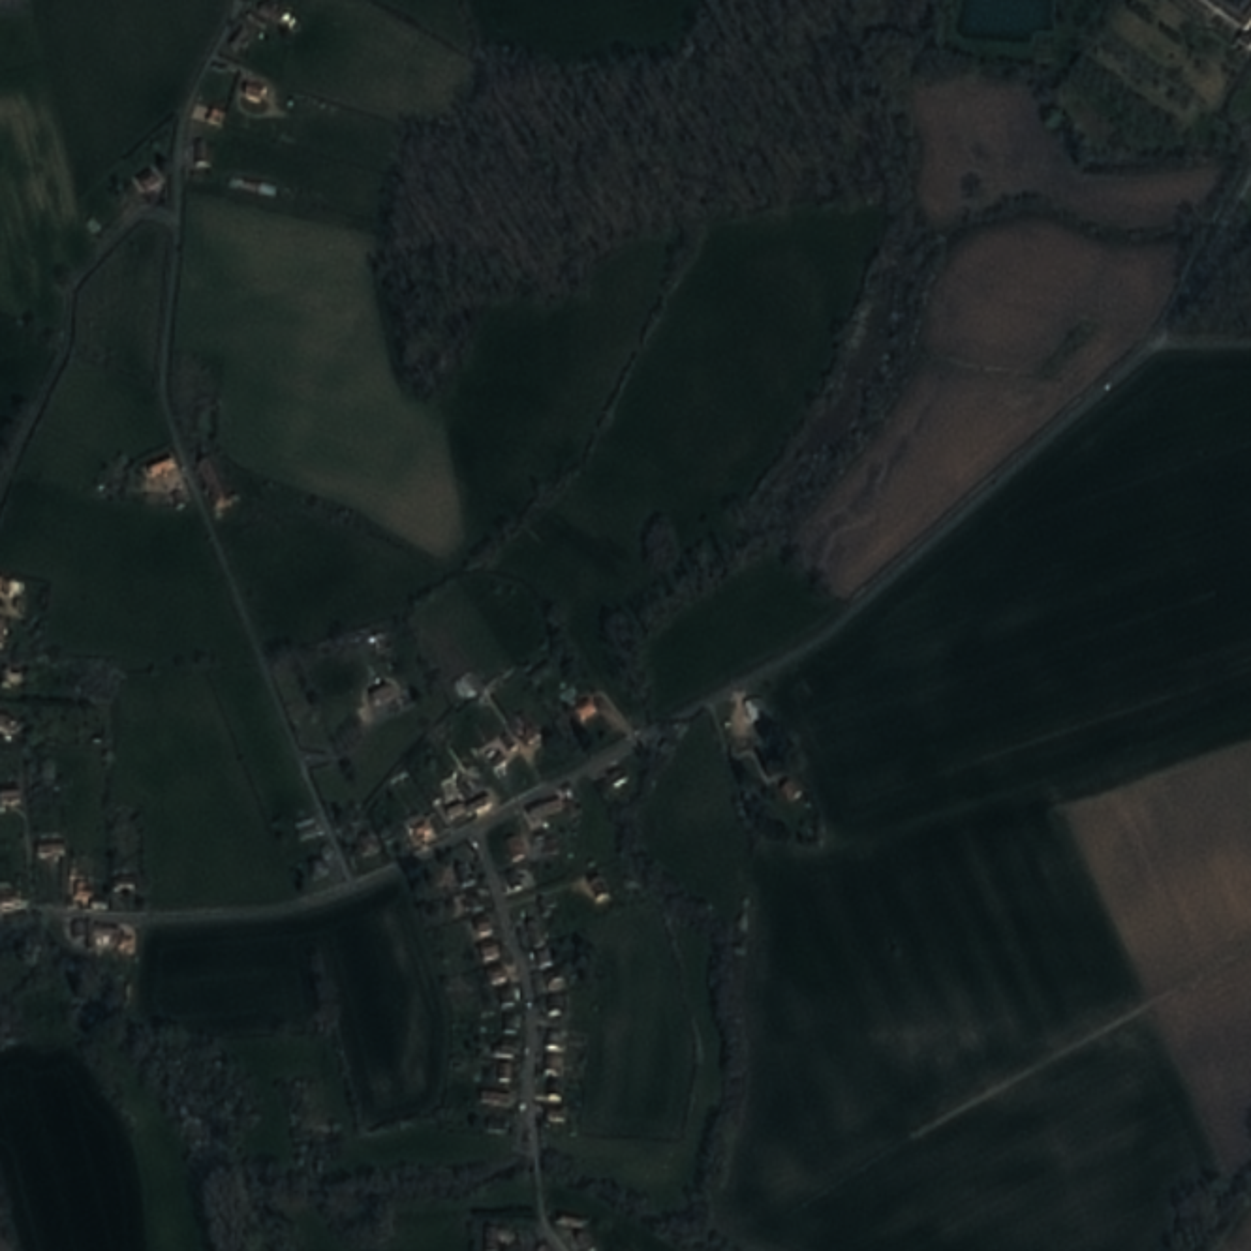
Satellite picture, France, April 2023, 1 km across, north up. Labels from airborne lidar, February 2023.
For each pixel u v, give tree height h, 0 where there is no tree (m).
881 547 0
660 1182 0
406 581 0
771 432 0
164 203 8
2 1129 0
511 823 0
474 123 26
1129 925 0
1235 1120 0
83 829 0
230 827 0
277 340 0
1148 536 0
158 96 0
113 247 0
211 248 0
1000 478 0
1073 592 0
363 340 0
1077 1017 0
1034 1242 0
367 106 0
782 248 0
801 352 0
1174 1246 17
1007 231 0
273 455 0
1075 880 0
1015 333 0
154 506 0
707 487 0
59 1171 0
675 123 32
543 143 31
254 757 0
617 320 0
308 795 0
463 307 21
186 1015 0
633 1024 0
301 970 0
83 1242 0
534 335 0
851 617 0
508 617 0
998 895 0
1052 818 0
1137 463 0
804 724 0
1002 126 0
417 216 28
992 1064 0
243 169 0
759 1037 0
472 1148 0
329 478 0
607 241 27
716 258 0
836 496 0
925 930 0
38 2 0
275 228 0
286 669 18
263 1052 0
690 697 0
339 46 0
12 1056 0
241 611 0
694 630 0
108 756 8
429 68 0
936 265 11
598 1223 7
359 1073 0
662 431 0
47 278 0
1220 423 0
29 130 0
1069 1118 0
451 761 0
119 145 0
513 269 29
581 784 0
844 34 21
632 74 28
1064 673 0
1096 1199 0
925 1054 0
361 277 0
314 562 0
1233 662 0
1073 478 0
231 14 0
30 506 0
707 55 28
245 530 0
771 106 32
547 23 0
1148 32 0
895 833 0
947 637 0
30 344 0
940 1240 0
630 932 0
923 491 0
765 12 28
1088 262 0
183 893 0
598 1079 0
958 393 0
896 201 30
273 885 0
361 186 0
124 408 0
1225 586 0
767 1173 0
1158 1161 0
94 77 0
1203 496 0
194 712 0
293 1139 7
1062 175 0
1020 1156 0
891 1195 0
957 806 0
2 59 0
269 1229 20
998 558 0
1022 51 0
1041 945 0
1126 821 0
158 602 0
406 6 0
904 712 0
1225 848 0
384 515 0
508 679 0
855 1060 0
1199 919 0
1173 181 0
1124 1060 0
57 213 0
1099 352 0
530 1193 0
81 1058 12
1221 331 23
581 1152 0
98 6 0
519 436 0
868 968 0
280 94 0
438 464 0
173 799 0
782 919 0
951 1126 0
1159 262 0
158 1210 0
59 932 0
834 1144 0
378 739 0
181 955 0
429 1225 0
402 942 0
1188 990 0
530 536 0
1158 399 0
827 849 0
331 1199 20
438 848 0
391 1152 0
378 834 7
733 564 28
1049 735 0
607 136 32
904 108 7
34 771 8
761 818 16
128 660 0
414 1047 0
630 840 16
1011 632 0
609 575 0
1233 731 0
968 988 0
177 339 0
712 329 0
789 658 0
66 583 0
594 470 0
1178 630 0
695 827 0
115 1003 17
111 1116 0
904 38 15
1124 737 0
